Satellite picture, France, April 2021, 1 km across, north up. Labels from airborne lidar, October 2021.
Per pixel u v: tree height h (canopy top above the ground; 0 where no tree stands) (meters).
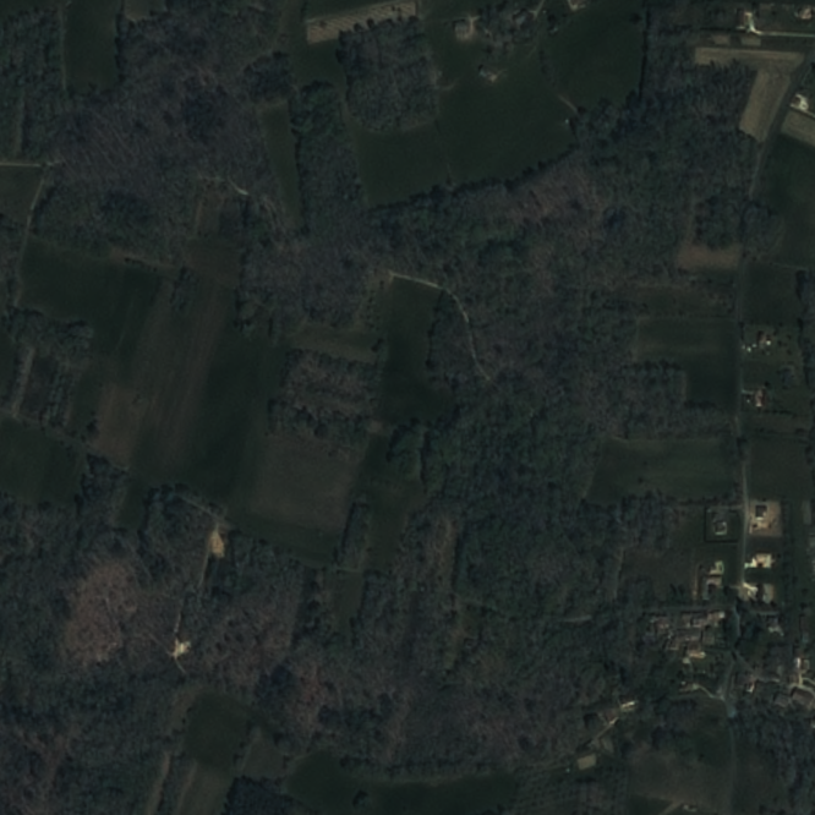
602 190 17
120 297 0
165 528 19
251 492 0
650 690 8
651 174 13
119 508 8
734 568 0
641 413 21
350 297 17
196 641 18
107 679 21
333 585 0
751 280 0
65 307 0
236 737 0
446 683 13
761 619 10
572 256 21
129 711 24
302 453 0
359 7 0
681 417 21
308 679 10
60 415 9
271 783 11
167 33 18
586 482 19
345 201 15
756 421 0
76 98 20
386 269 16
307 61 0
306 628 6
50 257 0
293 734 17
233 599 12
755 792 0
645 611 8
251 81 17
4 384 0
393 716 26
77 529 20
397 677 12
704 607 8
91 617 0
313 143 15
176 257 13
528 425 22
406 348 0
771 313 0
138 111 21
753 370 0
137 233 20
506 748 15
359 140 0
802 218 0
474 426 17
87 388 0
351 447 11
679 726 23
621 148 28
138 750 20
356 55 12
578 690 12
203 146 23
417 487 0
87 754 18
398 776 21
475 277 15
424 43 20
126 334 0
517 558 29
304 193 12
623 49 0
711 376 0
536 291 15
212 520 13
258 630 12
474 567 21
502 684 20
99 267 0
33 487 0
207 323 0
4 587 26
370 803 16
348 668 15
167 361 0
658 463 0
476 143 0
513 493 31
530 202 13
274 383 0
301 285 13
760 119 0
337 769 0
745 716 27
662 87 8
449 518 17
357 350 0
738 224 16
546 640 15
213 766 0
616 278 13
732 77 9
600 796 10
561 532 24
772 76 0
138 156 18
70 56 0
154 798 13
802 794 22
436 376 22
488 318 11
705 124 28
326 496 0
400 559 7
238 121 17
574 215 13
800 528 0
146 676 12
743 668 0
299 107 18
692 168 24
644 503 7
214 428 0
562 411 21
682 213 16
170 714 20
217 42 22
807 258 0
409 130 8
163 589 21
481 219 17
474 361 12
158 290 0
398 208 10
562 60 0
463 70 0
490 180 0
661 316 7
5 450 0
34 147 19
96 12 0
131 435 0
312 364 10
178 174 18
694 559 0
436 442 20
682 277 15
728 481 0
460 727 14
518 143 0
